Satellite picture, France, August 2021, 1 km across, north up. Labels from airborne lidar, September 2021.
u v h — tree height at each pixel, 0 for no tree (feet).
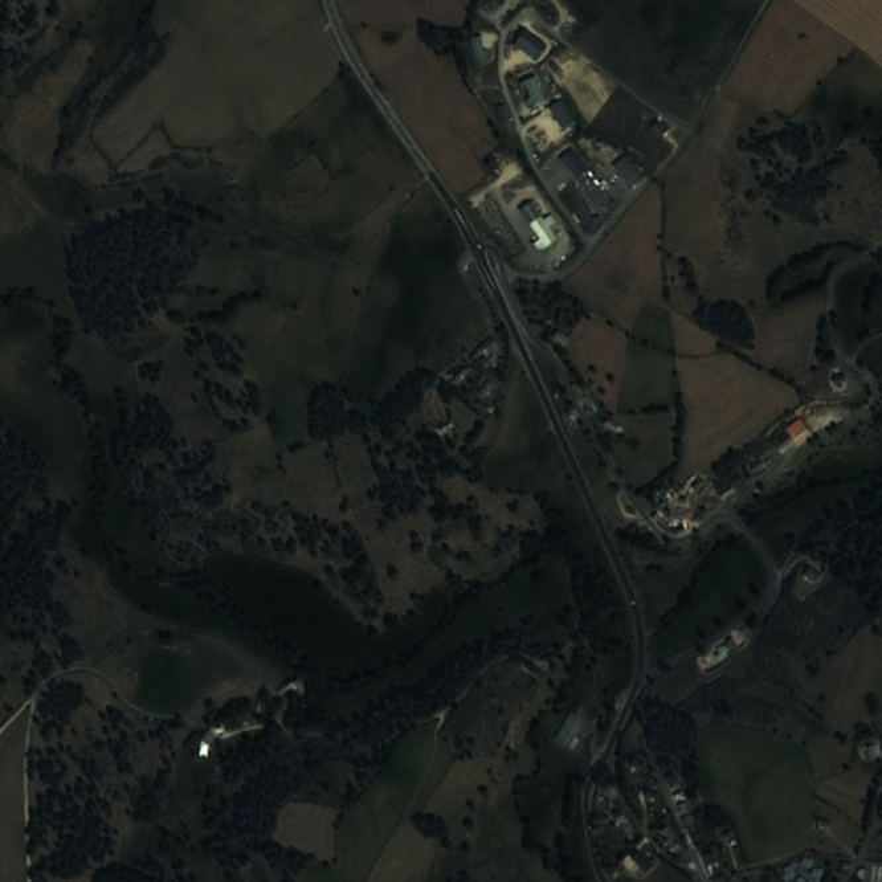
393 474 45
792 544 51
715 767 0
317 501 0
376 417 40
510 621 0
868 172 0
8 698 0
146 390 0
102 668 0
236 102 0
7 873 0
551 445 0
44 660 42
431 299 0
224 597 28
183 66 0
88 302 44
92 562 0
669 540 45
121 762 40
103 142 0
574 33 0
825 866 27
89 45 0
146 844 0
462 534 0
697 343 0
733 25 0
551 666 37
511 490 20
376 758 48
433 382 33
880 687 0
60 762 40
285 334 0
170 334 0
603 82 0
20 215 0
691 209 0
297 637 0
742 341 51
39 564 60
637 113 0
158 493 0
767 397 0
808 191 54
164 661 0
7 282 0
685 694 0
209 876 0
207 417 0
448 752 0
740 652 0
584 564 33
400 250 0
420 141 0
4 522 34
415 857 0
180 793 0
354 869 0
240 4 0
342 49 0
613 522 0
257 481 0
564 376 0
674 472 29
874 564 57
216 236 0
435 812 0
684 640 0
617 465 0
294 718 45
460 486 0
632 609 0
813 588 0
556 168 0
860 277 0
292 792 41
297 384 0
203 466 44
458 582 55
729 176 0
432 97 0
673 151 0
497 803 0
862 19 0
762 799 0
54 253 0
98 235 67
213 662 0
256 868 0
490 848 0
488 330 0
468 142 0
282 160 0
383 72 0
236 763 53
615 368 0
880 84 0
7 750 0
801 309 0
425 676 0
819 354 41
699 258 0
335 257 0
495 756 0
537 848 51
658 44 0
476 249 0
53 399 0
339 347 0
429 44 43
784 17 0
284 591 0
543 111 0
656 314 0
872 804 31
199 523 0
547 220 0
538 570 44
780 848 0
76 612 0
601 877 0
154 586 0
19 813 0
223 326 30
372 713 49
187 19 0
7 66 18
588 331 0
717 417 0
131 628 0
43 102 0
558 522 24
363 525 0
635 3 0
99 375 0
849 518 56
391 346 0
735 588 0
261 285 0
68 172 0
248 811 65
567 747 0
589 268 0
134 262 43
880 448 0
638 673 0
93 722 0
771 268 0
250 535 32
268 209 0
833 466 0
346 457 0
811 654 0
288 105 0
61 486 0
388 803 0
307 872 0
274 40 0
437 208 0
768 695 0
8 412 0
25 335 0
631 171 0
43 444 0
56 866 39
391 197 0
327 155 0
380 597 35
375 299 0
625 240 0
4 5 43
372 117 0
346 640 0
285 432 0
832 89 0
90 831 49
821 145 18
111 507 0
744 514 40
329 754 0
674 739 69
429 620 0
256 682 0
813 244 0
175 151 0
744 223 0
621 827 0
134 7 0
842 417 0
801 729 0
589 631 40
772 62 0
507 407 0
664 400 0
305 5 0
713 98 0
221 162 0
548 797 0
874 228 0
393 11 0
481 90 0
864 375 0
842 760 0
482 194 0
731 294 0
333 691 39
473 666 49
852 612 0
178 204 52
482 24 0
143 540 0
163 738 33
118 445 64
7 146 0
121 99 0
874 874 0
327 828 0
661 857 23
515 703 0
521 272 0
